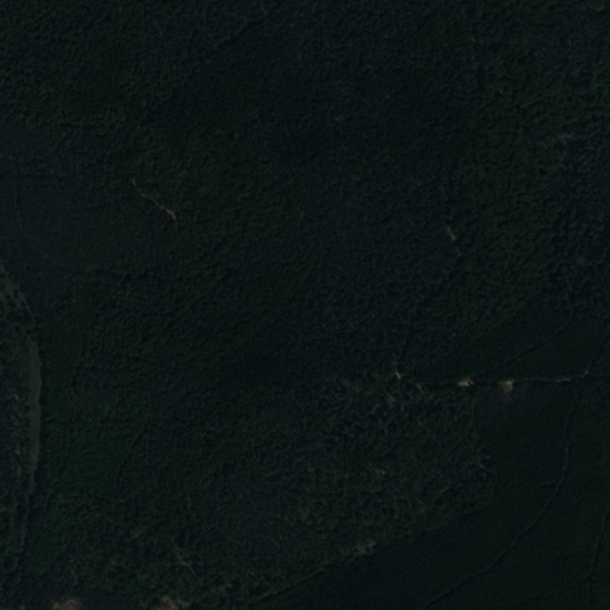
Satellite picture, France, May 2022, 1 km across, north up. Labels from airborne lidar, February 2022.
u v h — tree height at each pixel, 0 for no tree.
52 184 20
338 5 22
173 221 17
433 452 22
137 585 31
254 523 24
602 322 16
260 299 21
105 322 27
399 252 19
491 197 27
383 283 23
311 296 20
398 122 23
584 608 10
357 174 24
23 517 20
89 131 18
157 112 26
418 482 26
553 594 9
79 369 24
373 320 30
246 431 22
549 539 0
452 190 25
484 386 27
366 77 25
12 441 27
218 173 24
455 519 15
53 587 22
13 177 22
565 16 37
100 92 0
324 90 23
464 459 26
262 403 19
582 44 35
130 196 20
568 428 13
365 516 28
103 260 22
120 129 23
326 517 24
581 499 0
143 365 19
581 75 38
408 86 24
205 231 19
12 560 25
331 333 26
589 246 8
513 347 15
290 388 19
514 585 0
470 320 23
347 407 12
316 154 20
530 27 26
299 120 23
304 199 21
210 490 32
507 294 27
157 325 30
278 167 21
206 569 33
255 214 23
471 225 28
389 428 26
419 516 12
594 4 32
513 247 24
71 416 24
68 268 19
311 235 19
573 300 34
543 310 16
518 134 25
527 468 14
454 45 25
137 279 28
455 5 20
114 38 23
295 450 23
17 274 23
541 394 16
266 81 22
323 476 22
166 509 34
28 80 28
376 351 27
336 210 21
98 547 28
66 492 23
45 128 21
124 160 22
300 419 21
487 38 28
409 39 22
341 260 22
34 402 0
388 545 15
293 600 10
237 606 31
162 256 22
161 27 26
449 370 14
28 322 27
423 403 10
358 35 23
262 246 23
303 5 25
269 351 19
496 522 0
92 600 22
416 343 33
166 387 20
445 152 26
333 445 27
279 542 28
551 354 0
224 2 24
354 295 14
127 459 17
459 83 35
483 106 25
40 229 17
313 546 31
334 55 22
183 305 28
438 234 21
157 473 24
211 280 26
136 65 27
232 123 22
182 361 21
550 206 34
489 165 29
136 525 32
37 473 0
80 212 20
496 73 25
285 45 22
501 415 14
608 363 13
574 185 33
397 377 14
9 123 21
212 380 22
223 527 26
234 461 27
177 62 24
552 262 33
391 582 13
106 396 21
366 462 29
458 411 24
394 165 21
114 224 22
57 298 26
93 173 21
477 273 25
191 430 25
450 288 25
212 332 23
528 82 26
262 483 23
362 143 18
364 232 21
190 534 31
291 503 26
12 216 21
